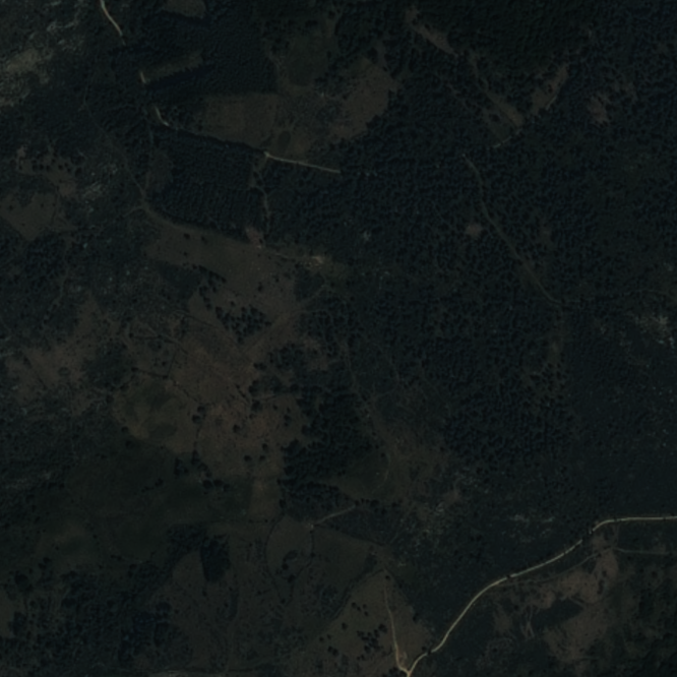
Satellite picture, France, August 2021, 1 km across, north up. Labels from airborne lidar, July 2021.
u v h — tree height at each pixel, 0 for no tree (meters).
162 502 0
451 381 8
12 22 0
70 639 6
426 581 0
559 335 0
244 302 0
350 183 14
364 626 0
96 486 0
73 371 0
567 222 14
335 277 0
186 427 0
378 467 0
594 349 6
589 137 13
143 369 0
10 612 0
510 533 0
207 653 0
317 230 8
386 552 0
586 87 14
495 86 11
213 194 23
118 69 15
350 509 0
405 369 10
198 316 0
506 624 0
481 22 13
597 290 7
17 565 0
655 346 0
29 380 0
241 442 0
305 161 0
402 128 12
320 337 9
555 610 0
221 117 0
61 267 10
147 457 0
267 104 0
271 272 0
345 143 7
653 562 0
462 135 9
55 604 0
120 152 0
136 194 0
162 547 0
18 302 0
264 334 0
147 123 10
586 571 0
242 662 0
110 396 9
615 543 0
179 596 0
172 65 0
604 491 7
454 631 0
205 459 0
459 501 0
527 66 12
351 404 13
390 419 0
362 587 0
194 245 0
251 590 0
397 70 8
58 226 0
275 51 14
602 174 13
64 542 0
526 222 9
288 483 12
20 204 0
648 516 0
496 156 12
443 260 8
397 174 13
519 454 12
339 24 8
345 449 11
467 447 8
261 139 0
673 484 0
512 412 11
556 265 9
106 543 0
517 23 15
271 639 0
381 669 0
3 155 8
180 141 19
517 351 11
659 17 12
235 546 0
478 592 0
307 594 0
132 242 0
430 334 11
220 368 0
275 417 0
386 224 12
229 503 0
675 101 13
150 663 0
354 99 0
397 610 0
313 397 15
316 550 0
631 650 0
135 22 8
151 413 0
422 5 11
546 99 0
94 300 0
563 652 0
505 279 7
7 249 11
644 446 0
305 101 0
